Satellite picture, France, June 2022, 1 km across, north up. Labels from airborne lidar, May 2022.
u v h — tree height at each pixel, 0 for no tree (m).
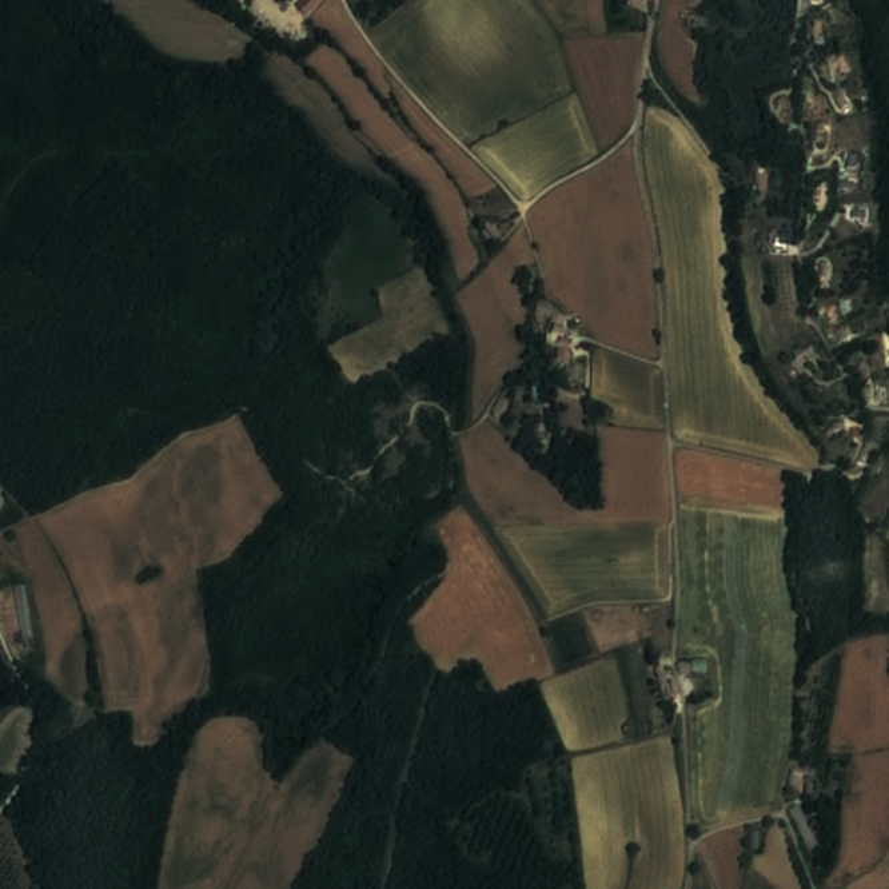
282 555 10
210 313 6
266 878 0
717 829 0
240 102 16
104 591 0
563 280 0
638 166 0
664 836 0
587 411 13
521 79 0
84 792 7
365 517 9
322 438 7
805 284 13
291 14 0
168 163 6
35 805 16
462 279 0
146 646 0
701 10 7
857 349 13
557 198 0
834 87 13
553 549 0
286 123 14
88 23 18
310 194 13
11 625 0
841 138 0
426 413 11
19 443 10
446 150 0
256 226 7
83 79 6
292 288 18
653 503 0
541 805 7
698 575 0
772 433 0
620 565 0
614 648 0
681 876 0
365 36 0
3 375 9
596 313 0
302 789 0
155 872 12
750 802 0
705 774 0
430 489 8
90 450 9
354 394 6
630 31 5
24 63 6
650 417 0
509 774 16
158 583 0
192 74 9
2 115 7
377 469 8
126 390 11
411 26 0
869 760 0
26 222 6
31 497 7
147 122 10
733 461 0
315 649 9
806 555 8
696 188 0
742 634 0
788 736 0
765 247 0
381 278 0
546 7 0
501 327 0
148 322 7
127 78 7
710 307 0
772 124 13
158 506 0
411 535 8
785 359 8
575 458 13
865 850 0
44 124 6
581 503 8
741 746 0
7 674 14
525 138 0
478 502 0
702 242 0
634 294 0
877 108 9
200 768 0
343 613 10
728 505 0
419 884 17
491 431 0
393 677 12
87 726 8
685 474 0
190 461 0
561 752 13
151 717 0
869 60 15
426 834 16
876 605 0
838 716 0
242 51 0
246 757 0
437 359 15
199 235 6
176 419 11
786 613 0
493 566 0
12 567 0
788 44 7
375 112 0
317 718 16
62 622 0
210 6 15
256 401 10
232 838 0
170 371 12
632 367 0
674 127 0
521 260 0
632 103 0
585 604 0
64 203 6
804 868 8
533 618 0
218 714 17
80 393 9
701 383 0
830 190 7
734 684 0
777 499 0
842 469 13
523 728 14
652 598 0
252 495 0
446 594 0
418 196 16
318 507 9
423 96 0
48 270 10
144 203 19
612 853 0
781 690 0
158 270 6
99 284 10
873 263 9
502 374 0
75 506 0
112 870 12
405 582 10
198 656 0
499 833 12
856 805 0
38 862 13
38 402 8
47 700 16
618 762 0
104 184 20
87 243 14
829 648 10
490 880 17
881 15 9
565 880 12
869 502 0
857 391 11
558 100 0
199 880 0
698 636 0
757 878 0
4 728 0
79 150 6
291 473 9
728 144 7
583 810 0
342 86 0
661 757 0
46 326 6
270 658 9
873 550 0
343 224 14
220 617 16
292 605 7
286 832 0
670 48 0
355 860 6
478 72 0
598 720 0
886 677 0
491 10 0
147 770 18
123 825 9
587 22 0
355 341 0
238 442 0
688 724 0
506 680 0
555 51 0
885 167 7
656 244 0
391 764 13
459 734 14
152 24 0
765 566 0
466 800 14
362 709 13
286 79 0
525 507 0
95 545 0
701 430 0
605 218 0
